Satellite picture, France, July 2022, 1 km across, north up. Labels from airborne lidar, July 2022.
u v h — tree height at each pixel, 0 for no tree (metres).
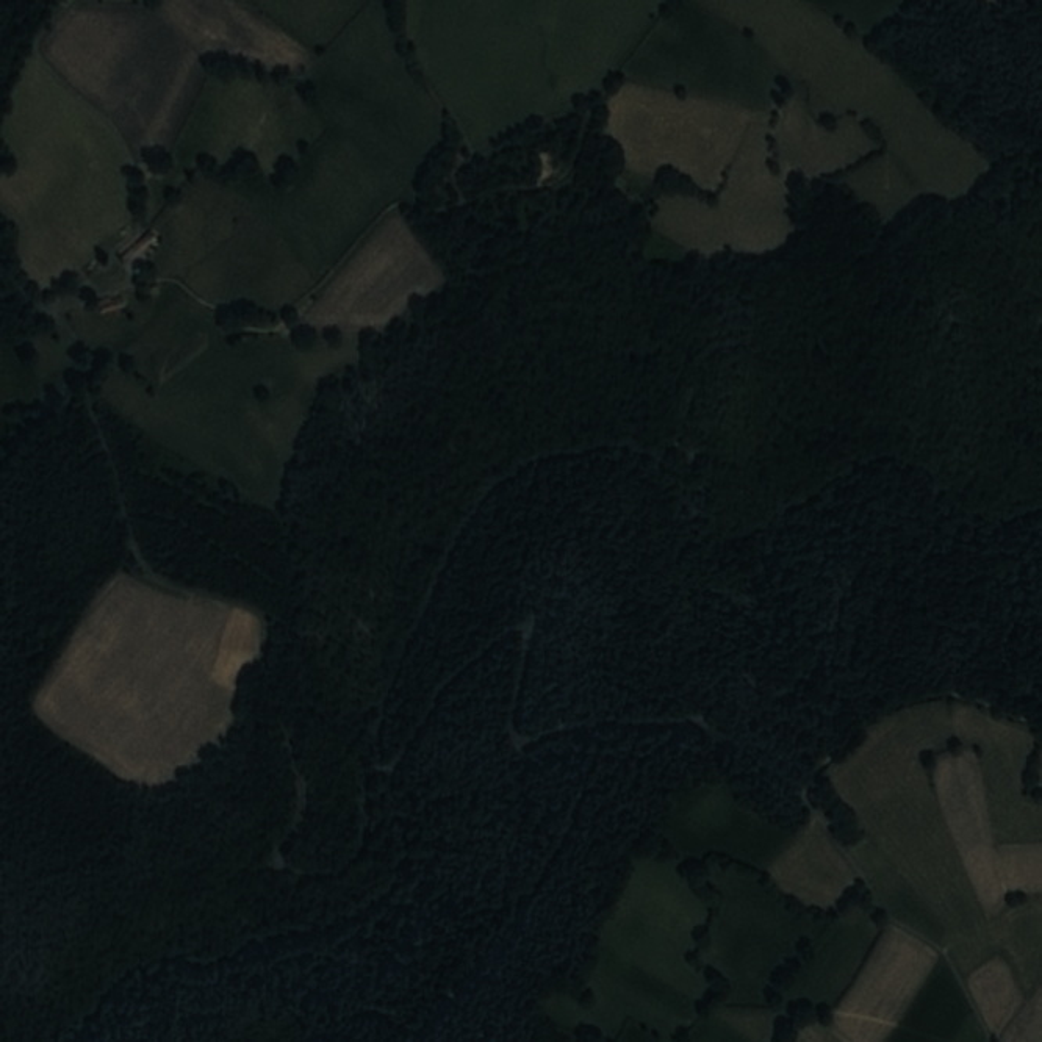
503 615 21
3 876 14
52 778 10
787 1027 20
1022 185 21
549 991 23
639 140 0
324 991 13
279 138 0
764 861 0
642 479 18
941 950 0
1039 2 23
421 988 14
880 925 15
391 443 21
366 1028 18
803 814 12
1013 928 0
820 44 0
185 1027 8
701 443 16
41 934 17
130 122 0
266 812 16
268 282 0
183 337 0
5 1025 24
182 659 0
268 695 21
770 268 20
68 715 0
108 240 0
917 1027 0
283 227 0
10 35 11
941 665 16
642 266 7
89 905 7
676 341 19
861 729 21
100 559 8
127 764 0
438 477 19
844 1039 0
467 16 0
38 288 9
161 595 0
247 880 14
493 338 18
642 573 17
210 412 0
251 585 10
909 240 17
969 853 0
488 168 8
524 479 17
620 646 16
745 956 0
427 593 14
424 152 0
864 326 24
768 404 15
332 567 12
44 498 11
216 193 0
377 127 0
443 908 24
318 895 20
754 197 0
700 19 0
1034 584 19
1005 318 14
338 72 0
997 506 21
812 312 27
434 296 13
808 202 21
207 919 20
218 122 0
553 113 0
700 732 25
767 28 0
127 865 18
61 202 0
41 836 12
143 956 22
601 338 14
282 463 0
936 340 14
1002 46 21
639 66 0
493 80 0
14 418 14
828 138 0
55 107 0
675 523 21
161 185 0
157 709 0
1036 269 17
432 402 21
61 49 0
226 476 0
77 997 20
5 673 7
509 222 16
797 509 25
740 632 18
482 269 18
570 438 22
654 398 17
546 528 20
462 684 17
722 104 0
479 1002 28
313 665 14
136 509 7
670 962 0
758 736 23
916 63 19
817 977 0
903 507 23
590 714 23
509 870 19
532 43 0
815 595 14
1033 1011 0
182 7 0
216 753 22
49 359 0
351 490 19
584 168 10
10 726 10
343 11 0
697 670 16
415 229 21
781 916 0
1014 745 0
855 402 22
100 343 0
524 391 17
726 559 20
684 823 0
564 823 26
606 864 24
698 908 0
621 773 25
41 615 6
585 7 0
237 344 15
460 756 18
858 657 21
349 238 0
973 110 21
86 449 15
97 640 0
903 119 0
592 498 17
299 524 17
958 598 23
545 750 10
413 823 24
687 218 0
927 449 20
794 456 25
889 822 0
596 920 26
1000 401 16
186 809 18
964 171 0
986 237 17
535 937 26
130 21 0
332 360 0
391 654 22
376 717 20
